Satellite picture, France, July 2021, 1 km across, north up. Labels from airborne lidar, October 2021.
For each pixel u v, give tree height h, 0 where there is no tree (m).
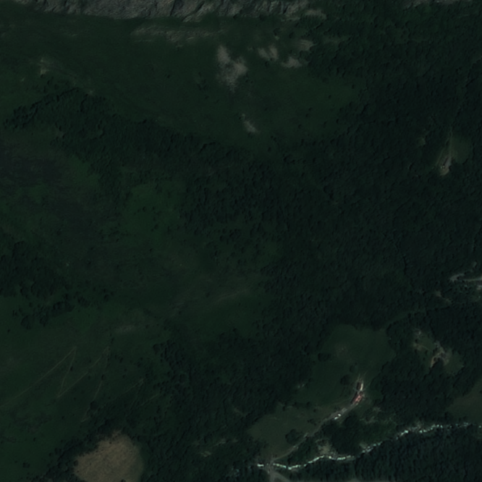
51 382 0
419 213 11
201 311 0
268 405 22
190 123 0
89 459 0
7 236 19
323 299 7
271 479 0
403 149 23
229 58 0
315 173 6
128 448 0
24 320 12
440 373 24
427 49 16
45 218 0
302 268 6
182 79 0
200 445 7
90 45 0
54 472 10
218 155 16
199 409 21
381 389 7
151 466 9
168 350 21
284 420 0
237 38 0
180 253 0
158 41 0
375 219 27
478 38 16
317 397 0
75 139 20
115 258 0
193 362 16
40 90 0
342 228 15
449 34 16
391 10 27
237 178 7
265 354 13
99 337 0
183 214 7
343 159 7
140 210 8
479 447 25
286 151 5
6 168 0
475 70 11
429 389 20
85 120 15
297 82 0
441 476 14
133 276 0
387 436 6
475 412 0
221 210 16
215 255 7
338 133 11
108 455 0
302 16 7
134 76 0
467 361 12
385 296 25
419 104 18
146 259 0
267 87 0
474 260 18
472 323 24
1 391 0
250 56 0
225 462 7
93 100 17
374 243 21
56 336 0
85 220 0
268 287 18
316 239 8
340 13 9
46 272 22
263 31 0
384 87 21
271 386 27
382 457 18
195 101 0
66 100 18
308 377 15
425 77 23
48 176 0
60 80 0
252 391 27
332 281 12
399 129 22
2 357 0
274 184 14
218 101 8
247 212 9
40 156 0
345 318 26
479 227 18
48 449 0
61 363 0
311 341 11
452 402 20
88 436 11
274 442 0
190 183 11
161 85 0
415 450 44
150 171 9
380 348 0
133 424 12
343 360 0
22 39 0
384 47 9
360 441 9
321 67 10
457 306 15
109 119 25
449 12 20
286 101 0
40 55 0
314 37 24
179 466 12
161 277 0
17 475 0
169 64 0
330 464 15
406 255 20
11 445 0
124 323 0
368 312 31
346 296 32
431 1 10
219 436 10
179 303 0
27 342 0
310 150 5
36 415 0
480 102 26
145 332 0
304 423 0
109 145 20
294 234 15
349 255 22
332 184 16
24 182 0
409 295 19
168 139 27
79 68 0
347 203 18
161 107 0
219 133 0
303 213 23
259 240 12
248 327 0
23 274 22
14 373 0
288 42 0
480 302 6
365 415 6
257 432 0
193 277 0
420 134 22
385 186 10
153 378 6
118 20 0
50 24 0
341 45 13
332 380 0
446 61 22
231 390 13
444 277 21
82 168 0
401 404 21
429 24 27
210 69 0
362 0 13
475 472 30
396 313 24
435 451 11
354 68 13
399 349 14
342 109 12
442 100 25
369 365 0
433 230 22
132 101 0
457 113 13
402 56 19
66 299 7
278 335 16
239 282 0
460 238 22
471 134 18
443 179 12
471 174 15
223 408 9
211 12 0
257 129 0
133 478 0
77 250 0
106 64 0
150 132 22
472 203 27
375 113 25
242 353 10
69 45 0
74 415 6
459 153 0
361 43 21
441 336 28
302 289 14
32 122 9
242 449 8
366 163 21
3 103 0
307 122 0
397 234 27
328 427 20
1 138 0
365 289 28
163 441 26
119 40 0
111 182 8
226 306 0
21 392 0
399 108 23
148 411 0
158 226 12
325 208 17
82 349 0
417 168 25
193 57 0
